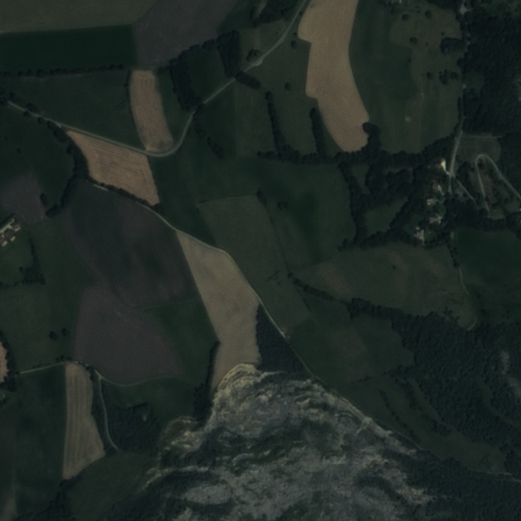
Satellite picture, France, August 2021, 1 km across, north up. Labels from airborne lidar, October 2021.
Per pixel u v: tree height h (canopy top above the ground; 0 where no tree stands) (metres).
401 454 12
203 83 0
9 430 0
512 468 12
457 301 0
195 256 0
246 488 0
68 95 0
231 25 0
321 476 0
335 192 0
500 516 10
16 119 0
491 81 11
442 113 0
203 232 0
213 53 0
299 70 0
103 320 0
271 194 0
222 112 0
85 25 0
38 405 0
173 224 0
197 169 0
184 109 10
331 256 0
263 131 0
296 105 0
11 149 0
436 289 0
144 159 0
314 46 0
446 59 0
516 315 0
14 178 0
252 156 0
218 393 0
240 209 0
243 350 0
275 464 0
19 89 0
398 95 0
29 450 0
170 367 0
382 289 0
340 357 0
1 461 0
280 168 0
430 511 8
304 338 0
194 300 0
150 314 0
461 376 9
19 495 0
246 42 0
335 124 0
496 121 6
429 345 12
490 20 16
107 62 0
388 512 0
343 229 0
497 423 15
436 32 0
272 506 0
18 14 0
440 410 12
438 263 0
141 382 0
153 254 0
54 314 0
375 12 0
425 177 14
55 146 0
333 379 0
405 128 0
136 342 0
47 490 0
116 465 0
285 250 0
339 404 0
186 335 0
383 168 20
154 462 0
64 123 0
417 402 7
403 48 0
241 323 0
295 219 0
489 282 0
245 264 0
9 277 0
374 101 0
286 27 0
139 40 0
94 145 0
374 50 0
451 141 18
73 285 0
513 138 17
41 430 0
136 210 0
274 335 9
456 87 0
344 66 0
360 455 0
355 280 0
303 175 0
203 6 0
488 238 0
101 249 0
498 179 7
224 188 0
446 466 5
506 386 12
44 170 0
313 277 0
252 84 15
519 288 0
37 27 0
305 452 0
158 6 0
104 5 0
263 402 0
